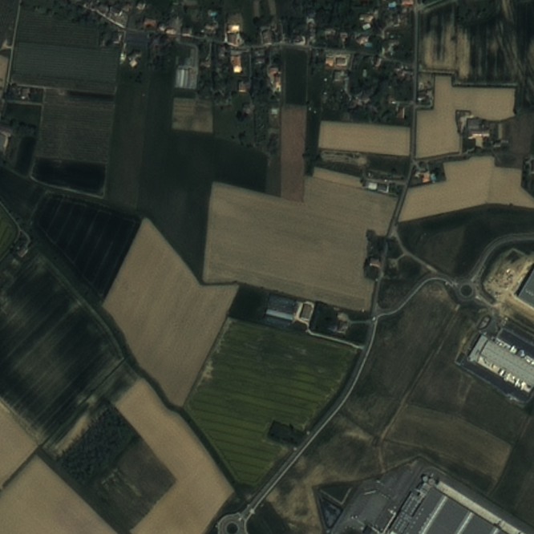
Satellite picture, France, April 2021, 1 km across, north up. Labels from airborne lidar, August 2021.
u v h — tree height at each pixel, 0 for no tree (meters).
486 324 0
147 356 0
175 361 0
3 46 0
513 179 0
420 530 0
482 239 0
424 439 0
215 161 0
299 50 0
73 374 0
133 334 0
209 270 0
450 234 0
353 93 9
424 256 0
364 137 0
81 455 10
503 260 0
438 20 0
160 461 0
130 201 0
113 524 0
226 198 0
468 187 0
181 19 0
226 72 9
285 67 0
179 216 0
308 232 0
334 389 0
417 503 0
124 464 0
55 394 0
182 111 0
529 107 0
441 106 0
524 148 0
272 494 0
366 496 0
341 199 0
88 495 0
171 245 0
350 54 0
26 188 0
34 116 0
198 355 0
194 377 0
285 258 0
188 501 0
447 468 0
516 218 0
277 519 0
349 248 0
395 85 11
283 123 0
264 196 0
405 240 0
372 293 0
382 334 0
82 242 0
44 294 0
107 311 0
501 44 0
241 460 0
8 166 14
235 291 0
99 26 9
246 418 0
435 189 0
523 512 0
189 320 0
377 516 0
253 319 0
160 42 9
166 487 0
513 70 0
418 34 0
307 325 0
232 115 0
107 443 18
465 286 0
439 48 0
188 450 0
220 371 0
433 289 0
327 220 0
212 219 0
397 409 0
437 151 0
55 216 0
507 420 0
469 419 0
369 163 0
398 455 0
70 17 8
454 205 0
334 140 0
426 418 0
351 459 0
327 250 0
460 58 0
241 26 0
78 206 0
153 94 0
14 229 0
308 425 0
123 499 0
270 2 0
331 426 0
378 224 0
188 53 0
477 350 0
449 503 0
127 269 0
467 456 0
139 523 0
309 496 0
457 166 0
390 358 0
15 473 0
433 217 0
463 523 0
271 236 0
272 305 0
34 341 0
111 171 0
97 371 0
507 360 0
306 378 0
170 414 0
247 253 0
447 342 0
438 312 0
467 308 0
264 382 0
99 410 0
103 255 0
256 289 0
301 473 0
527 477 0
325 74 0
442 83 0
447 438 0
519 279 0
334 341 0
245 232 0
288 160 0
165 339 0
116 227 0
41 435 0
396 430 0
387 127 0
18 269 0
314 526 0
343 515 0
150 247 0
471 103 0
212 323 0
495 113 0
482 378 0
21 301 0
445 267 0
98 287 0
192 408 0
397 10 6
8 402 0
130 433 16
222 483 0
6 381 0
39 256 0
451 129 0
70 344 0
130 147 0
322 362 0
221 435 0
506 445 0
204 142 0
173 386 0
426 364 0
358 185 0
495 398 0
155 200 0
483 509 0
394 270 0
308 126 0
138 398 0
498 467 0
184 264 0
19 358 0
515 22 0
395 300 0
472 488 0
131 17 0
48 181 0
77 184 0
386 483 0
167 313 0
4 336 0
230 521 0
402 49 9
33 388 0
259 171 0
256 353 0
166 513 0
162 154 0
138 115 0
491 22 0
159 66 7
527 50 0
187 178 0
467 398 0
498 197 0
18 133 11
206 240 0
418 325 0
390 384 0
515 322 0
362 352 0
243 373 0
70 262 0
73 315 0
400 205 0
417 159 0
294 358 0
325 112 0
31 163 0
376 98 12
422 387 0
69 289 0
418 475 0
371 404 0
